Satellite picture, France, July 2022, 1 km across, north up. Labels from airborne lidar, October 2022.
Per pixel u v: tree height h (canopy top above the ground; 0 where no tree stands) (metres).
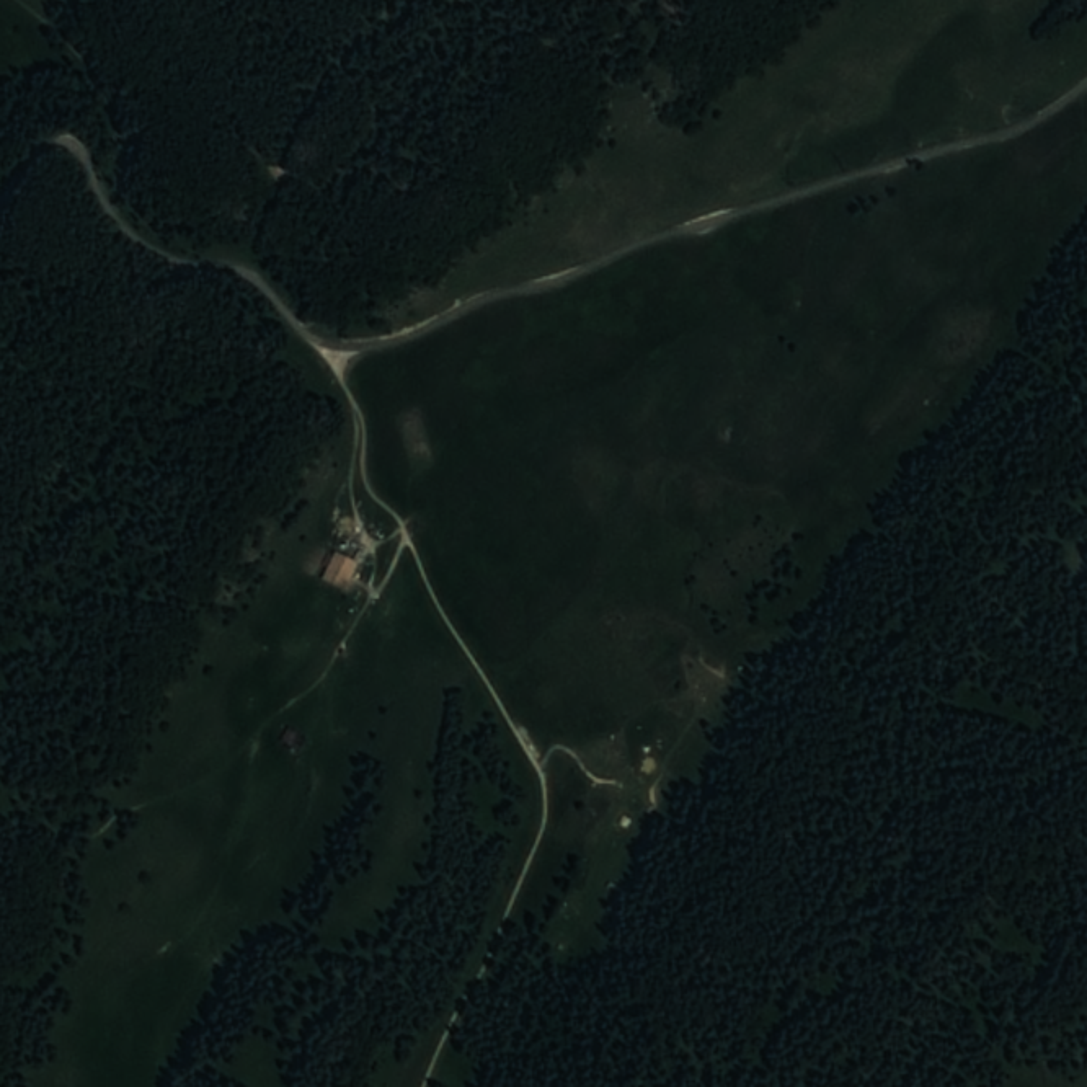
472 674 0
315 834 0
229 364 16
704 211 0
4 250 17
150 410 18
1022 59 0
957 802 23
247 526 11
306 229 16
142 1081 0
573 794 0
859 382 0
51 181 23
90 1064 0
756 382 0
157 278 19
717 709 0
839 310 0
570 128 17
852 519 0
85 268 26
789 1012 28
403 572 0
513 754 0
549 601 0
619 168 0
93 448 18
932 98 0
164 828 0
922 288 0
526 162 15
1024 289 0
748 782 25
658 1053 19
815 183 0
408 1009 22
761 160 0
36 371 19
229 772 0
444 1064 0
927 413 0
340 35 24
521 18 19
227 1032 28
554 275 0
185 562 20
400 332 0
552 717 0
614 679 0
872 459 0
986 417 27
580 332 0
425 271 11
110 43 18
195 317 22
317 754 0
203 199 14
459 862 24
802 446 0
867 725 24
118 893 0
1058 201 0
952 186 0
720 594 0
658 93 7
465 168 17
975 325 0
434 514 0
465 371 0
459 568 0
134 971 0
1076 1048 16
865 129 0
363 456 0
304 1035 7
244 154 27
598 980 17
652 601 0
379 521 0
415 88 18
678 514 0
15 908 17
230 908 0
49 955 18
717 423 0
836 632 25
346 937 0
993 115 0
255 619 0
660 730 0
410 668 0
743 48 17
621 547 0
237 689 0
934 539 26
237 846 0
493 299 0
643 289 0
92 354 19
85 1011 0
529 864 0
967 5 0
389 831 0
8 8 0
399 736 0
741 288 0
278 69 21
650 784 0
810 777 26
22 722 7
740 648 0
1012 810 31
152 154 25
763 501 0
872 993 22
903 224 0
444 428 0
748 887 26
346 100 28
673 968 31
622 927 25
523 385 0
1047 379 20
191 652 10
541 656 0
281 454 24
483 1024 24
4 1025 23
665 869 29
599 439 0
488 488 0
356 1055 20
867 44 0
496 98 24
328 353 0
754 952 21
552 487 0
